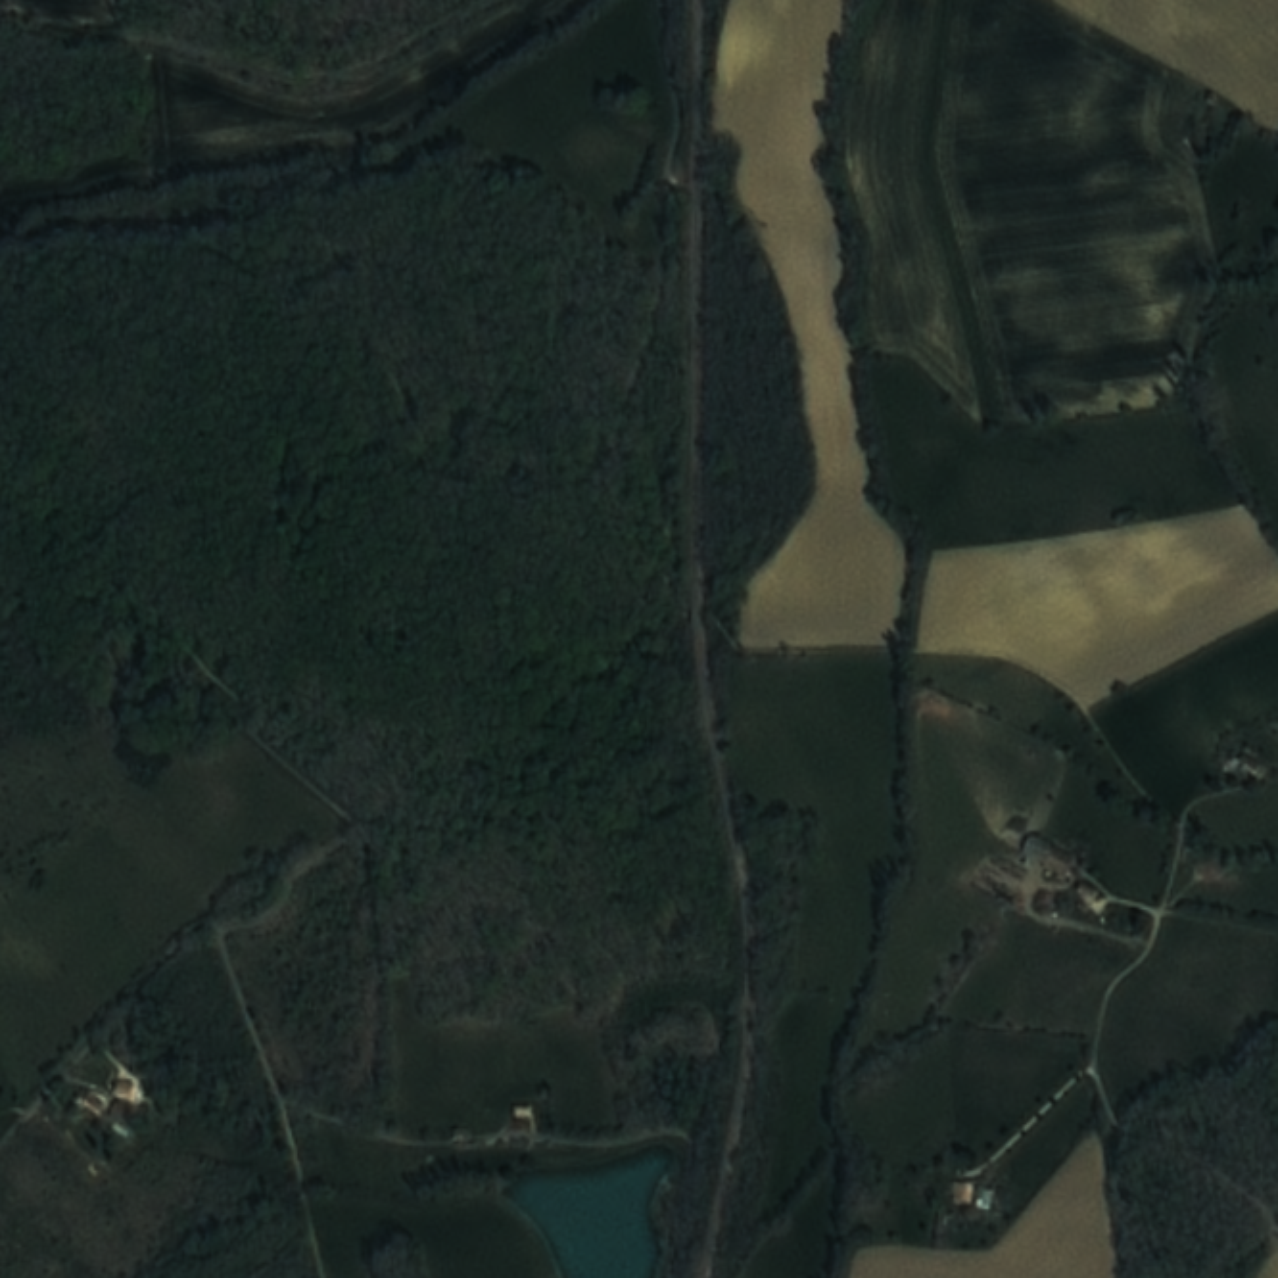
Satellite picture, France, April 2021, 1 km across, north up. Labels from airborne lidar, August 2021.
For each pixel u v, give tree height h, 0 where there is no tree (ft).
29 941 0
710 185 59
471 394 81
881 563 0
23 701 30
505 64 58
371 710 70
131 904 0
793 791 0
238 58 79
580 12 40
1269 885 0
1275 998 0
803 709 0
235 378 81
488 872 55
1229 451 34
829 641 0
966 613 0
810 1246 0
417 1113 0
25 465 90
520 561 96
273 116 0
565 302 83
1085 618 0
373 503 86
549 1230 0
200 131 0
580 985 68
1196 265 0
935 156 0
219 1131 27
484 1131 0
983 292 0
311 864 51
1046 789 0
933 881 0
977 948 24
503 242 89
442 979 56
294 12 68
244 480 85
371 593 88
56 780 0
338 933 23
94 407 79
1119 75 0
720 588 69
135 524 92
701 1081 67
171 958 24
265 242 91
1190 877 0
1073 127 0
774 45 0
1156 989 0
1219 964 0
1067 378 0
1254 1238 44
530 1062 0
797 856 77
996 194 0
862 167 0
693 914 88
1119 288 0
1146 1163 76
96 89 96
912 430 0
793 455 51
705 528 49
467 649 90
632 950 66
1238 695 0
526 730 86
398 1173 0
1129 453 0
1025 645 0
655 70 0
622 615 103
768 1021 63
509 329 79
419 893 75
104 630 46
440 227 83
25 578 94
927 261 0
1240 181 0
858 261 59
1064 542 0
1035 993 0
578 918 72
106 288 94
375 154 85
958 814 0
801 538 0
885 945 23
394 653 89
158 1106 58
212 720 72
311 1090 43
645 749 61
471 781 68
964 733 0
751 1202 62
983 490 0
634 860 97
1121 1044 0
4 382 76
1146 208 0
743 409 62
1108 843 0
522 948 70
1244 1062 59
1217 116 0
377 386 98
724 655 47
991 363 0
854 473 0
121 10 35
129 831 0
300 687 79
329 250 86
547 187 63
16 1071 0
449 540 102
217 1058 25
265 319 87
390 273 97
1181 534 0
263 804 0
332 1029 30
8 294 98
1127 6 0
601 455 28
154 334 90
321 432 103
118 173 0
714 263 37
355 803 63
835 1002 0
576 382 72
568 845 76
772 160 0
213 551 80
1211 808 0
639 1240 0
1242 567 0
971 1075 0
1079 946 0
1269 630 0
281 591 83
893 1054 66
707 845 91
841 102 62
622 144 0
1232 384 0
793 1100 0
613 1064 24
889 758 0
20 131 84
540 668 74
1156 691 0
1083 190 0
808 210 0
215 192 62
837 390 0
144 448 65
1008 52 0
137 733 53
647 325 52
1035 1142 0
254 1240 33
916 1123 0
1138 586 0
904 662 87
